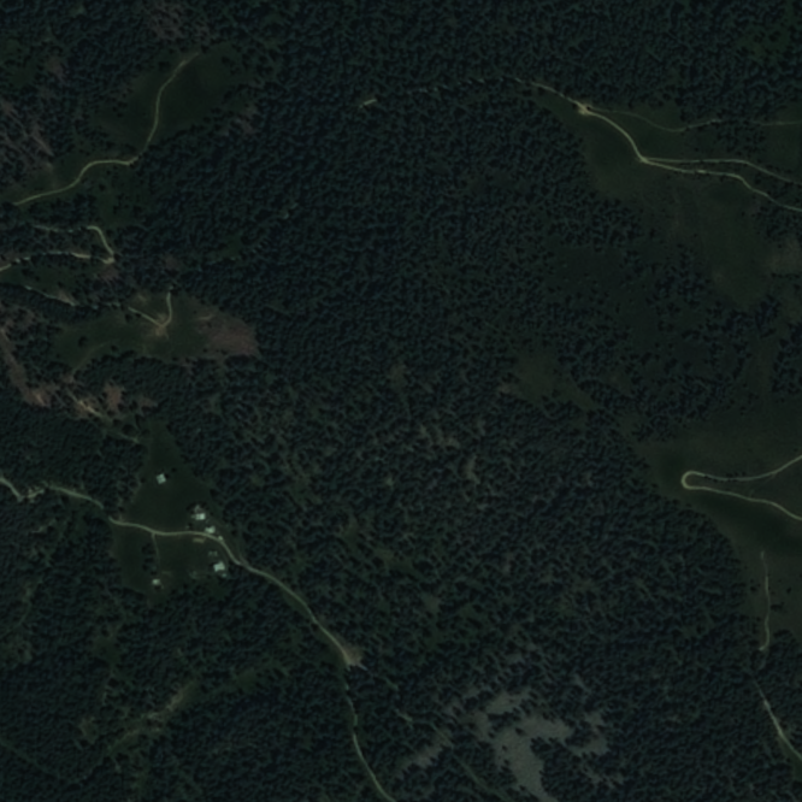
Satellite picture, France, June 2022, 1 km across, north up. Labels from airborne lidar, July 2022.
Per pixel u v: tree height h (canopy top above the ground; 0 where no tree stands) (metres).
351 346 17
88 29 28
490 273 19
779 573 0
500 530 22
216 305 14
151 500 0
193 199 18
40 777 26
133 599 21
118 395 0
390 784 7
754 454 0
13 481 20
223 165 28
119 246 20
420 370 23
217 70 0
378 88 22
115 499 16
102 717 22
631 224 7
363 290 19
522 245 17
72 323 15
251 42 23
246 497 16
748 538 0
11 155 18
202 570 0
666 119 0
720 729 13
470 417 25
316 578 27
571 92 21
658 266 12
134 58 22
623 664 15
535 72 17
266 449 25
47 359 11
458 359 21
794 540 0
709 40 28
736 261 0
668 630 16
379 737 28
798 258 0
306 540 18
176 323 0
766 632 0
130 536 0
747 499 0
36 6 27
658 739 25
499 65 21
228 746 13
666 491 0
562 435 14
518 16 13
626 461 13
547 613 8
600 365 20
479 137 23
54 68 0
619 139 0
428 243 18
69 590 23
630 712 11
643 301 0
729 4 23
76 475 11
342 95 9
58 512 23
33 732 22
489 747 14
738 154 6
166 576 0
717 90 25
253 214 20
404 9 6
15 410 21
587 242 12
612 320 13
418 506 21
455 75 24
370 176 16
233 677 27
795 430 0
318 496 20
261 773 12
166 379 15
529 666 10
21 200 0
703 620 29
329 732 25
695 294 17
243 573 25
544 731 0
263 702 18
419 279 16
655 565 24
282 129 22
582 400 0
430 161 23
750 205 0
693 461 0
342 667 0
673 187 0
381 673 29
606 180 0
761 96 26
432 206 16
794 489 0
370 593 25
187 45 7
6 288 17
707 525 13
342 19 21
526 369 0
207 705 9
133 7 25
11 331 17
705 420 15
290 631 31
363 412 20
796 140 0
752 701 14
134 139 0
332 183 20
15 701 19
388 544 28
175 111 0
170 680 29
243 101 11
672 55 24
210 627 30
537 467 20
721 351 13
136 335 0
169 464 0
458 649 17
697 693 14
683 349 0
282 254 25
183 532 0
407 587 7
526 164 24
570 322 19
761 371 0
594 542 22
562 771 22
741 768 21
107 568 11
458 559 11
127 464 13
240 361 18
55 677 28
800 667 9
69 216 13
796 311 0
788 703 21
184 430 17
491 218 18
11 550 18
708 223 0
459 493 13
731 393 14
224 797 9
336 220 20
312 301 21
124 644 19
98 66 24
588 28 27
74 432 17
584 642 9
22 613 8
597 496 18
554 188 19
